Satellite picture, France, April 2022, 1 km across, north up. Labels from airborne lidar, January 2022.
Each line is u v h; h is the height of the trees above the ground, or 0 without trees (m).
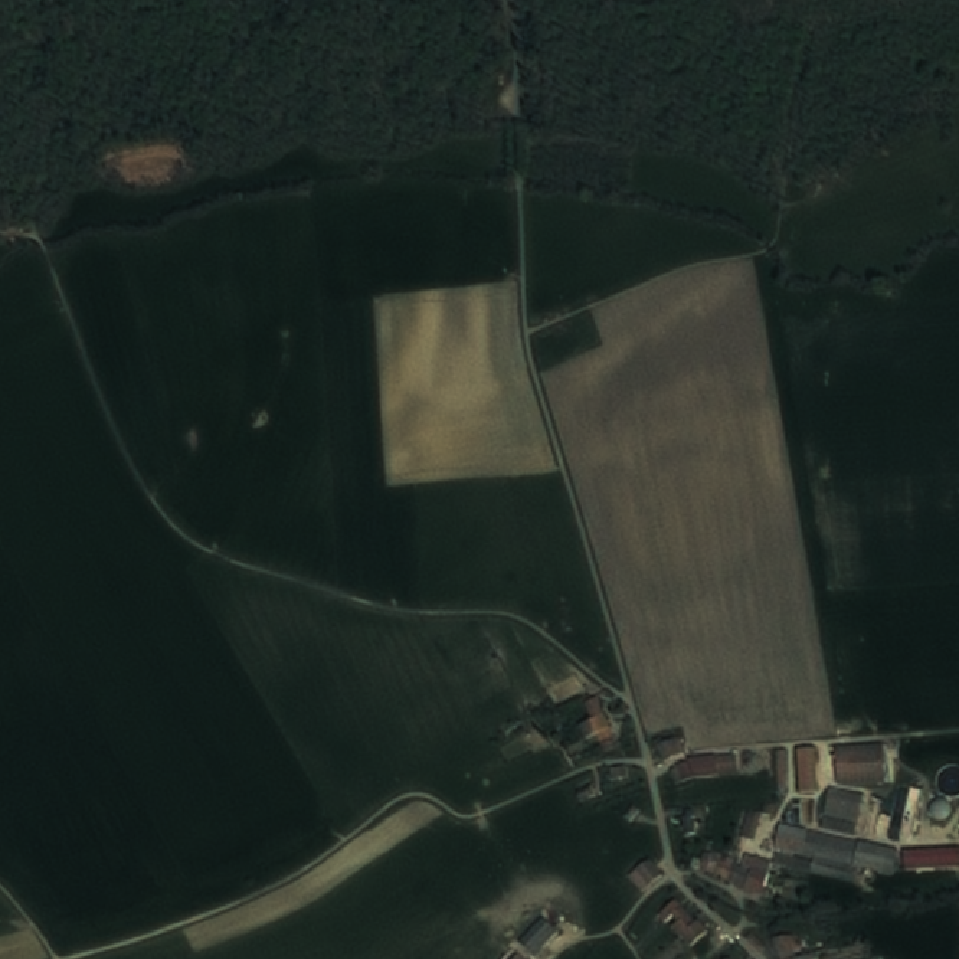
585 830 0
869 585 0
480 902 0
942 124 16
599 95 28
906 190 0
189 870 0
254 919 0
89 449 0
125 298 0
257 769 0
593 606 0
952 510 0
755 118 22
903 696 0
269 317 0
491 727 0
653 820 0
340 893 0
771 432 0
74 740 0
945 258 0
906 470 0
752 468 0
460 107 23
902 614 0
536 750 0
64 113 20
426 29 10
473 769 0
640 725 0
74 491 0
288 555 0
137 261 0
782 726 0
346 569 0
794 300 0
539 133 21
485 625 0
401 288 0
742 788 0
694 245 0
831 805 0
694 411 0
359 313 0
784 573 0
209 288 0
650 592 0
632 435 0
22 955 0
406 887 0
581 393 0
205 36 0
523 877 0
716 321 0
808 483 0
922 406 0
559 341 0
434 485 0
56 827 0
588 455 0
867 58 23
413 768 0
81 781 0
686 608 0
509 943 0
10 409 0
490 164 0
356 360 0
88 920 0
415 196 0
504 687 0
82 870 0
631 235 0
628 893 0
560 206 0
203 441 0
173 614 0
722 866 0
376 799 0
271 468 0
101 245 0
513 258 0
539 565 0
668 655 0
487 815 0
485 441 0
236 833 0
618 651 0
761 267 0
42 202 21
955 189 0
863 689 0
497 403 0
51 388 0
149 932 0
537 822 0
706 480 0
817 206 0
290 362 0
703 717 0
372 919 0
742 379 0
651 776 0
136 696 0
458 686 0
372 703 0
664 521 0
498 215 0
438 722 0
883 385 0
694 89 21
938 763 0
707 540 0
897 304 0
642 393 0
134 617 0
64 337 0
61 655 0
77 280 0
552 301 0
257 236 0
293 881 0
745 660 0
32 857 0
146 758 0
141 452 0
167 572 0
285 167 0
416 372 0
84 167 22
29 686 0
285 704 0
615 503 0
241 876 0
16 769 0
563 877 0
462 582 0
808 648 0
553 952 0
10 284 0
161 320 0
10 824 0
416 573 0
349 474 0
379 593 0
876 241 0
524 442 0
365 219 0
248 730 0
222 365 0
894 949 0
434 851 0
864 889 0
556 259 0
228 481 0
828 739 0
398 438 0
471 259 0
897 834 0
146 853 0
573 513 0
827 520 0
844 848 0
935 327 0
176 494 0
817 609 0
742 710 0
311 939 0
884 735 0
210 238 0
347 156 19
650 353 0
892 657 0
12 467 0
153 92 19
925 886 0
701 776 0
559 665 0
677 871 0
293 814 0
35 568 0
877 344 0
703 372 0
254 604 0
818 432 0
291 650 0
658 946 0
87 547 0
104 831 0
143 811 0
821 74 24
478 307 0
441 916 0
